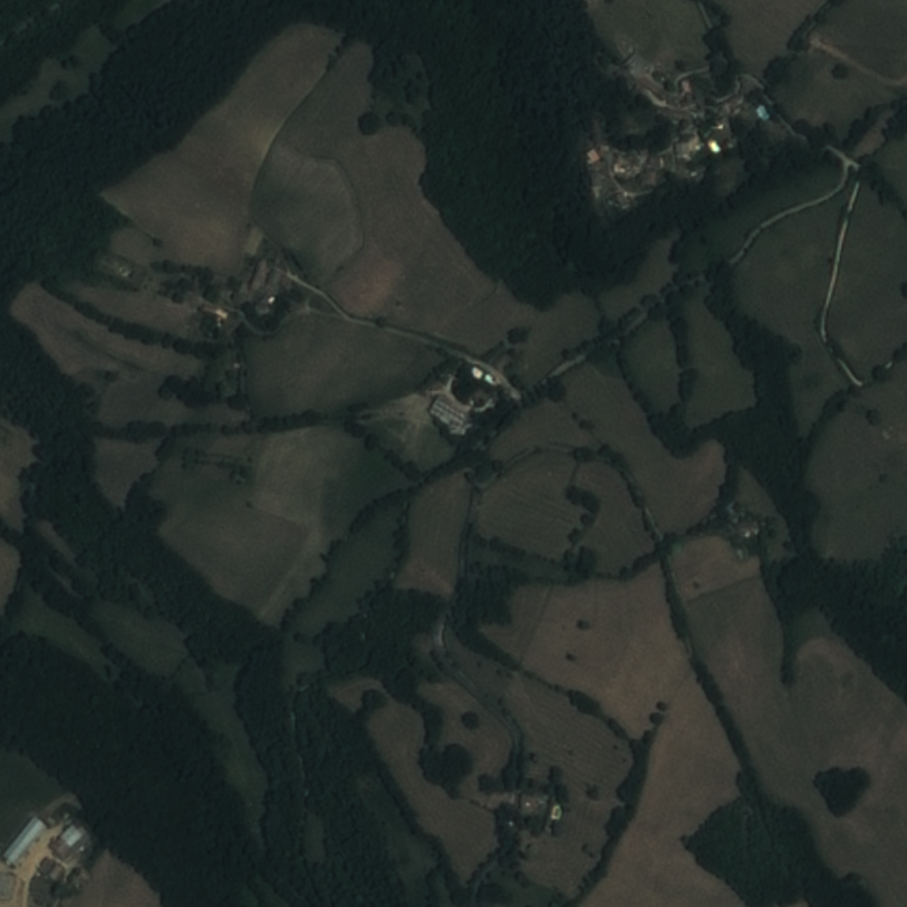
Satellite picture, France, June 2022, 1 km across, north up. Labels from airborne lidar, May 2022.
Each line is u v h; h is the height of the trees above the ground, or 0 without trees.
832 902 15
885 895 0
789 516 16
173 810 22
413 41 18
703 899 0
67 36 25
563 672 0
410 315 0
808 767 0
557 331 0
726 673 0
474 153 19
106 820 19
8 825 0
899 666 19
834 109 0
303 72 0
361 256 0
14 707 18
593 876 11
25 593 11
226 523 0
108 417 0
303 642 14
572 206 17
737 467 14
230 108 0
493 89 33
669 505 0
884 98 0
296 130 0
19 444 0
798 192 0
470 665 0
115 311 0
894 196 12
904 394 0
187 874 19
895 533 0
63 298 12
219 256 0
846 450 0
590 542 0
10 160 23
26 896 0
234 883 20
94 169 23
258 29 15
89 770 19
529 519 0
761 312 0
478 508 0
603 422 0
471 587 16
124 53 20
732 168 0
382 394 0
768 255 0
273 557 0
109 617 0
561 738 0
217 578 0
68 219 7
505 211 20
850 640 10
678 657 0
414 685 14
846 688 0
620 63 13
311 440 0
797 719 0
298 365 0
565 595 0
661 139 17
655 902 0
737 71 16
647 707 0
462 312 0
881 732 0
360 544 0
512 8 18
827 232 0
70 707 24
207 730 16
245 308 13
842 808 21
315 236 0
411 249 0
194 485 0
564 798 16
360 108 0
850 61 0
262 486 0
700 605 0
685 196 15
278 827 17
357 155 0
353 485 0
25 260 15
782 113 14
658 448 0
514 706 0
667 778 0
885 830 0
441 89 15
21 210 19
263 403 0
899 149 0
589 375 0
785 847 9
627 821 12
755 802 8
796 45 13
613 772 0
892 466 0
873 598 9
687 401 14
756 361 21
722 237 0
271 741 15
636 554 0
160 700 21
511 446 0
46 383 14
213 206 0
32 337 14
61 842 0
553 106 20
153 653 0
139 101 24
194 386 19
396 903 8
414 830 13
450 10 13
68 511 6
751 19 0
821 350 0
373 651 15
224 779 9
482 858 0
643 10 0
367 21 17
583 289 13
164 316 0
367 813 10
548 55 20
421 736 0
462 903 16
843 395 6
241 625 12
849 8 0
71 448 18
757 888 9
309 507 0
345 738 15
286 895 15
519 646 0
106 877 0
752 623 0
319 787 13
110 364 0
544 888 0
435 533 0
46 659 22
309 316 0
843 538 0
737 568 0
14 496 0
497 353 7
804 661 0
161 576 17
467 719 12
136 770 23
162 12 17
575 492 13
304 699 12
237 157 0
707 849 11
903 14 0
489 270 13
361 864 11
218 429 8
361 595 0
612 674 0
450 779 19
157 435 12
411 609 14
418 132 10
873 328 0
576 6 12
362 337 0
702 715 0
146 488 15
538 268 17
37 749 20
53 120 27
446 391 0
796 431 15
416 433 0
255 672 17
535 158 20
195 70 20
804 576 19
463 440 12
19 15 9
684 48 0
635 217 14
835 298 0
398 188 0
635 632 0
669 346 0
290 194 0
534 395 17
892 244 0
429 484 10
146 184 0
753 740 0
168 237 0
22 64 21
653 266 0
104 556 15
